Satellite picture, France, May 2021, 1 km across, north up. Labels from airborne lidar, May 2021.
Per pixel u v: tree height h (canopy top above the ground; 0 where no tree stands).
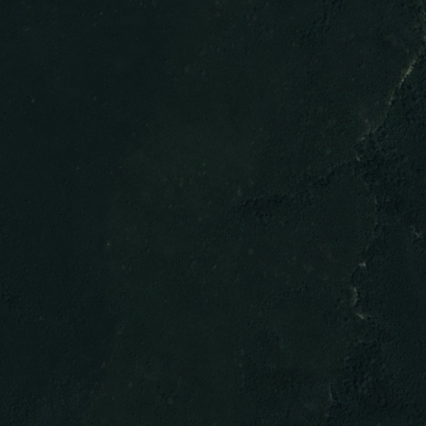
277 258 10
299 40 8
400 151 15
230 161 7
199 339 8
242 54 8
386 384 21
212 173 6
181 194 6
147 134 6
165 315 7
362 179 22
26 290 7
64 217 9
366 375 29
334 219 9
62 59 9
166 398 11
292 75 12
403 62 15
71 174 6
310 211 13
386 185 18
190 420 6
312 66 7
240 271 11
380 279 10
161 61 6
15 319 9
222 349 7
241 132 7
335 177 17
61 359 7
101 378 5
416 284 7
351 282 20
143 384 7
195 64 8
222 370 8
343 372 25
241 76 8
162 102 6
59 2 7
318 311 10
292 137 9
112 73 5
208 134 6
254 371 8
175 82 6
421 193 9
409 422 16
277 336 8
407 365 9
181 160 7
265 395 11
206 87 6
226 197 10
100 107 7
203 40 8
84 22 6
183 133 5
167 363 6
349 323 16
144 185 7
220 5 8
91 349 7
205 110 6
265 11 7
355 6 6
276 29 7
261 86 7
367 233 13
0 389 9
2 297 7
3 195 8
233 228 8
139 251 7
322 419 20
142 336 9
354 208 9
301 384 16
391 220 10
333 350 10
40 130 6
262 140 7
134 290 8
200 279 8
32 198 6
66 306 7
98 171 6
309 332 11
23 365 7
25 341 6
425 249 19
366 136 15
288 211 13
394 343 12
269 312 9
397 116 6
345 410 16
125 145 5
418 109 12
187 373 6
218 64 8
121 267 7
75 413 6
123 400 6
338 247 10
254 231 11
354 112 10
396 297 11
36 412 8
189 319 7
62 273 7
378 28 8
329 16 19
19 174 8
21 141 6
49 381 6
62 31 5
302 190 17
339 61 10
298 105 9
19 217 8
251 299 7
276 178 9
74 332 7
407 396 8
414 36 10
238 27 7
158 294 9
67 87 5
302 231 7
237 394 11
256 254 8
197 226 8
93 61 6
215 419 7
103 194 6
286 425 10
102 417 6
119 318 7
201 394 9
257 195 11
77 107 7
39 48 8
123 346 7
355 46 9
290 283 7
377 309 9
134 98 6
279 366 11
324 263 7
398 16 7
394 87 10
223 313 9
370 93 7
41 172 7
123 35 6
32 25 6
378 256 19
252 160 6
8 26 6
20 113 7
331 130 13
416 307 8
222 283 8
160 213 7
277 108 8
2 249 7
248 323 9
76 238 6
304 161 12
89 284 10
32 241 7
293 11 7
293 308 9
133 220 5
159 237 6
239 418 8
